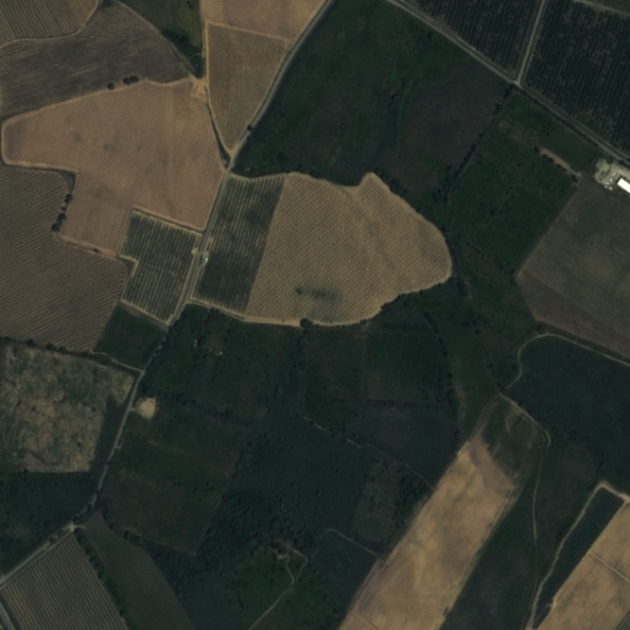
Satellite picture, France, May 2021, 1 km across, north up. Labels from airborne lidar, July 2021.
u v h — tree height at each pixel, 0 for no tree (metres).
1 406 0
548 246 0
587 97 7
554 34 7
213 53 0
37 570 0
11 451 0
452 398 13
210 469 0
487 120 0
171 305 0
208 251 0
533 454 0
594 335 0
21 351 0
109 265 0
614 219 0
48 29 0
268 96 0
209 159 0
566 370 0
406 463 6
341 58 0
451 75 0
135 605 0
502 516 0
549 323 0
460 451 0
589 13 6
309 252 0
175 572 8
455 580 0
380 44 0
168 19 0
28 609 0
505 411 0
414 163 0
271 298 0
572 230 0
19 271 0
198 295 0
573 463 0
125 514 0
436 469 0
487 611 0
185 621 0
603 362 0
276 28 0
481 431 0
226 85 0
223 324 0
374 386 0
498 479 0
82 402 0
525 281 0
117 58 0
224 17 0
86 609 0
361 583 0
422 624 0
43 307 0
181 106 0
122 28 0
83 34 0
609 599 0
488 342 0
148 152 0
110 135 0
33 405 0
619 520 0
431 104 0
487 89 0
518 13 6
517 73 0
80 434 0
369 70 0
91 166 0
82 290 0
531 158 0
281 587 0
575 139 0
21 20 0
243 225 0
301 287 0
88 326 0
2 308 0
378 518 0
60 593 0
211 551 14
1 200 0
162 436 0
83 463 0
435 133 0
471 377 0
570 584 0
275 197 0
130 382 0
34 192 0
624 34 7
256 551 6
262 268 0
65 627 0
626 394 0
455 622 0
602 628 0
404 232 0
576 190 0
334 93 0
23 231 0
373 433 0
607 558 0
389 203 0
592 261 0
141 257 0
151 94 0
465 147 0
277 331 0
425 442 0
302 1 0
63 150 0
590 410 0
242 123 0
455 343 0
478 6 7
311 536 7
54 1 0
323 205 0
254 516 11
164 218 0
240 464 10
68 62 0
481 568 0
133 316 0
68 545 0
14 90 0
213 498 0
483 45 7
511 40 6
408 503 8
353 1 0
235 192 0
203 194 0
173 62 0
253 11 0
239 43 0
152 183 0
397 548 0
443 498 0
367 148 0
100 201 0
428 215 6
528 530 0
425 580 0
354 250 0
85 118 0
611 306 0
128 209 0
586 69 6
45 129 0
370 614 0
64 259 0
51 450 0
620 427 0
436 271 0
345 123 0
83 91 0
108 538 0
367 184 0
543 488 0
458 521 0
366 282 0
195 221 0
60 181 0
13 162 0
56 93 0
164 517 0
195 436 0
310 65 0
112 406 0
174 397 8
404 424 0
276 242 0
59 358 0
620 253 0
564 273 0
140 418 0
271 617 0
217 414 7
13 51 0
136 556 0
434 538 0
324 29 0
